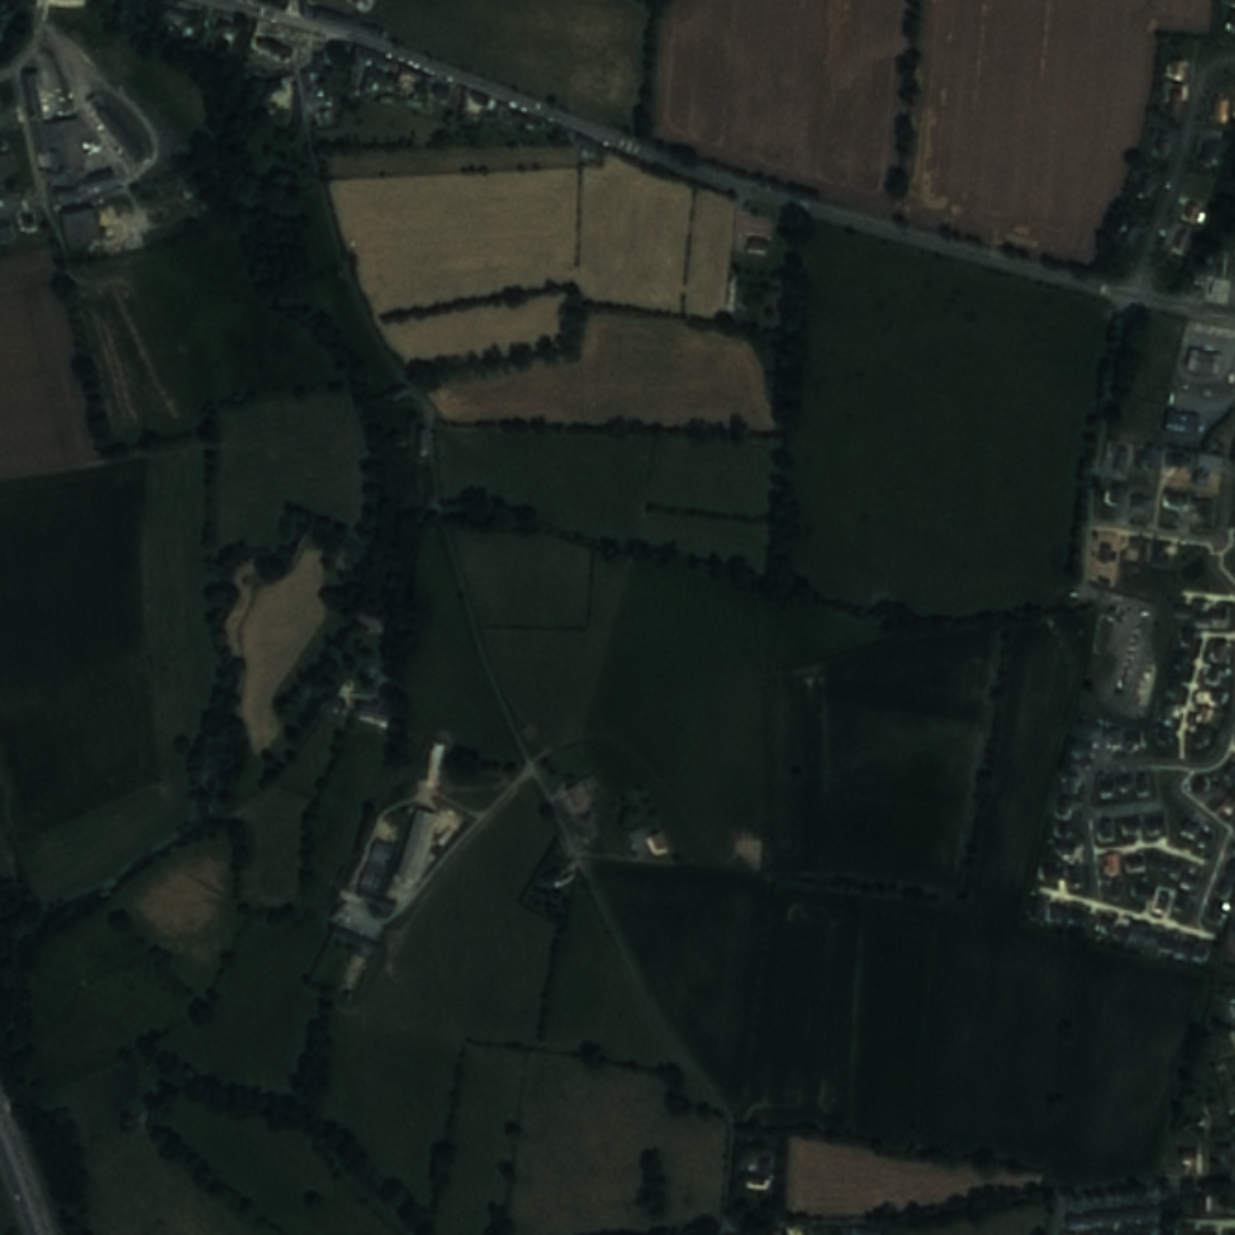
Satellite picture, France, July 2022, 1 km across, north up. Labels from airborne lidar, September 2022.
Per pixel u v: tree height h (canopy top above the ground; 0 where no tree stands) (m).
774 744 0
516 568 0
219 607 13
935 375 0
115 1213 0
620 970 0
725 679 0
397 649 13
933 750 0
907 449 0
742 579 18
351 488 0
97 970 0
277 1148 0
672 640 0
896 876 0
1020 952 0
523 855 0
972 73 0
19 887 6
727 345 0
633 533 0
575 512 0
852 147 0
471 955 0
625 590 0
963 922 0
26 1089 0
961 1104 0
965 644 0
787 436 7
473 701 0
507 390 0
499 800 0
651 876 0
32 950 14
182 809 0
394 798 0
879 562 0
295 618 0
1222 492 0
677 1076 13
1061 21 0
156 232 0
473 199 0
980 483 0
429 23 0
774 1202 9
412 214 0
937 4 0
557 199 0
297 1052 0
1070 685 0
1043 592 0
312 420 0
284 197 21
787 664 0
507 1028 0
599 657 0
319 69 0
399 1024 0
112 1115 0
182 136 0
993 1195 15
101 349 0
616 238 0
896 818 0
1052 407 0
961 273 0
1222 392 0
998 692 13
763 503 0
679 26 0
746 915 0
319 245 0
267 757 13
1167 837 0
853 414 0
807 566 0
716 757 0
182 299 0
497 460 0
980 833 8
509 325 0
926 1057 0
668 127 0
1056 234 0
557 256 0
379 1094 0
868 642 0
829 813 0
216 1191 16
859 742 0
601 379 0
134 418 0
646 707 0
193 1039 0
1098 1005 0
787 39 0
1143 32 0
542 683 0
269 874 0
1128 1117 0
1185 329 0
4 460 0
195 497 0
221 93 20
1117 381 17
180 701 0
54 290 12
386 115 0
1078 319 0
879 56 0
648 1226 0
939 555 0
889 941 0
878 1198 0
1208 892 0
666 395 0
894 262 0
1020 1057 0
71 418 0
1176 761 0
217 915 0
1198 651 0
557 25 0
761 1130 7
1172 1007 0
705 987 0
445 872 0
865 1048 0
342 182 0
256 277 8
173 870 0
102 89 0
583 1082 0
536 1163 0
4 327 0
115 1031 0
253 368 0
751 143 0
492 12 0
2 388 0
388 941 0
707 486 0
